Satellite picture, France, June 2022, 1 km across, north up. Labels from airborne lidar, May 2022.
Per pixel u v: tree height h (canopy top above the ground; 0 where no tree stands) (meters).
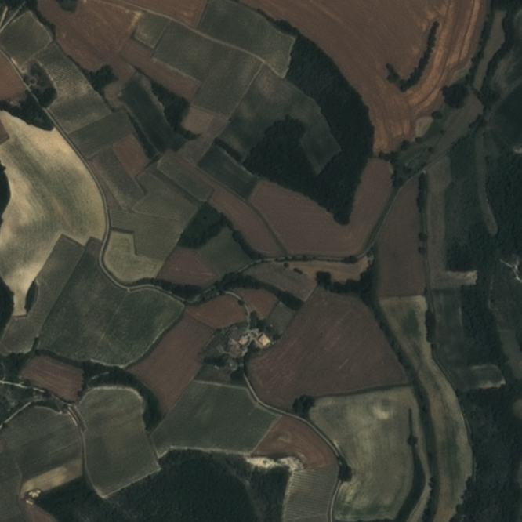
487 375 0
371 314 0
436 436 0
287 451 0
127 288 0
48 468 0
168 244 0
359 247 0
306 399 17
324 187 14
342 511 0
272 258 0
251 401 0
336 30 0
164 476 9
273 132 12
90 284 0
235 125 0
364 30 0
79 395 10
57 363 0
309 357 0
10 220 0
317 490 0
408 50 0
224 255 0
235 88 0
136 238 0
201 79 0
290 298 15
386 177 0
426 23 0
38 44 0
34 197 0
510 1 11
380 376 0
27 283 0
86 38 0
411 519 0
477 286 13
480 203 7
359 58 0
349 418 0
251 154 9
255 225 0
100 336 0
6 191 16
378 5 0
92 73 14
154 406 7
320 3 0
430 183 0
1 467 0
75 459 0
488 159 10
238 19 0
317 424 0
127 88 0
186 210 0
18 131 0
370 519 0
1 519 0
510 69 0
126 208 0
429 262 0
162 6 0
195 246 10
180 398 0
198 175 0
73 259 0
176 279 0
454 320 0
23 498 0
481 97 15
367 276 8
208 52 0
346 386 0
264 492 12
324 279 9
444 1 0
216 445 0
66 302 0
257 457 0
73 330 0
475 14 0
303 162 15
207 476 12
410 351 0
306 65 18
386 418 0
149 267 0
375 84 0
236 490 8
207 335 0
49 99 12
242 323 0
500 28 0
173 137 0
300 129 12
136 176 0
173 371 0
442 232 0
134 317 0
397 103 0
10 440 0
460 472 0
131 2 0
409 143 14
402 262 0
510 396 16
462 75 0
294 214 0
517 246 17
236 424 0
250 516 10
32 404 11
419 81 12
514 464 20
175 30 0
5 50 0
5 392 0
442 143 0
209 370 0
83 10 0
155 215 0
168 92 11
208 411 0
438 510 0
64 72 0
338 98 14
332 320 0
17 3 9
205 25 0
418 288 0
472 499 11
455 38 0
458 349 0
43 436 0
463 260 13
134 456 0
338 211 15
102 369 11
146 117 0
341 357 0
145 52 0
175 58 0
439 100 0
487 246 12
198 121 0
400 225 0
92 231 0
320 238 0
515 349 0
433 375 0
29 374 0
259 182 0
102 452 0
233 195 0
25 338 0
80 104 0
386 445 0
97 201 0
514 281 0
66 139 0
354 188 18
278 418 0
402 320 0
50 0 0
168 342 0
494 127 0
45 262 0
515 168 16
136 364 0
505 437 13
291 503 0
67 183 0
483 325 15
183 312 0
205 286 0
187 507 9
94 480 0
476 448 15
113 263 0
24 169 0
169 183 0
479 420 11
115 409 0
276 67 0
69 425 0
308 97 8
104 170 0
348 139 18
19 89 0
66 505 6
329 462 0
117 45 0
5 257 0
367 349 0
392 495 0
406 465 0
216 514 13
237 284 15
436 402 0
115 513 7
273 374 0
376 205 0
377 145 0
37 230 0
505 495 17
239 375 14
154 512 6
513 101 0
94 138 0
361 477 0
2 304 7
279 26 8
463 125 0
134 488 6
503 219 8
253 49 0
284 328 0
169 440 0
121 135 0
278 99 0
